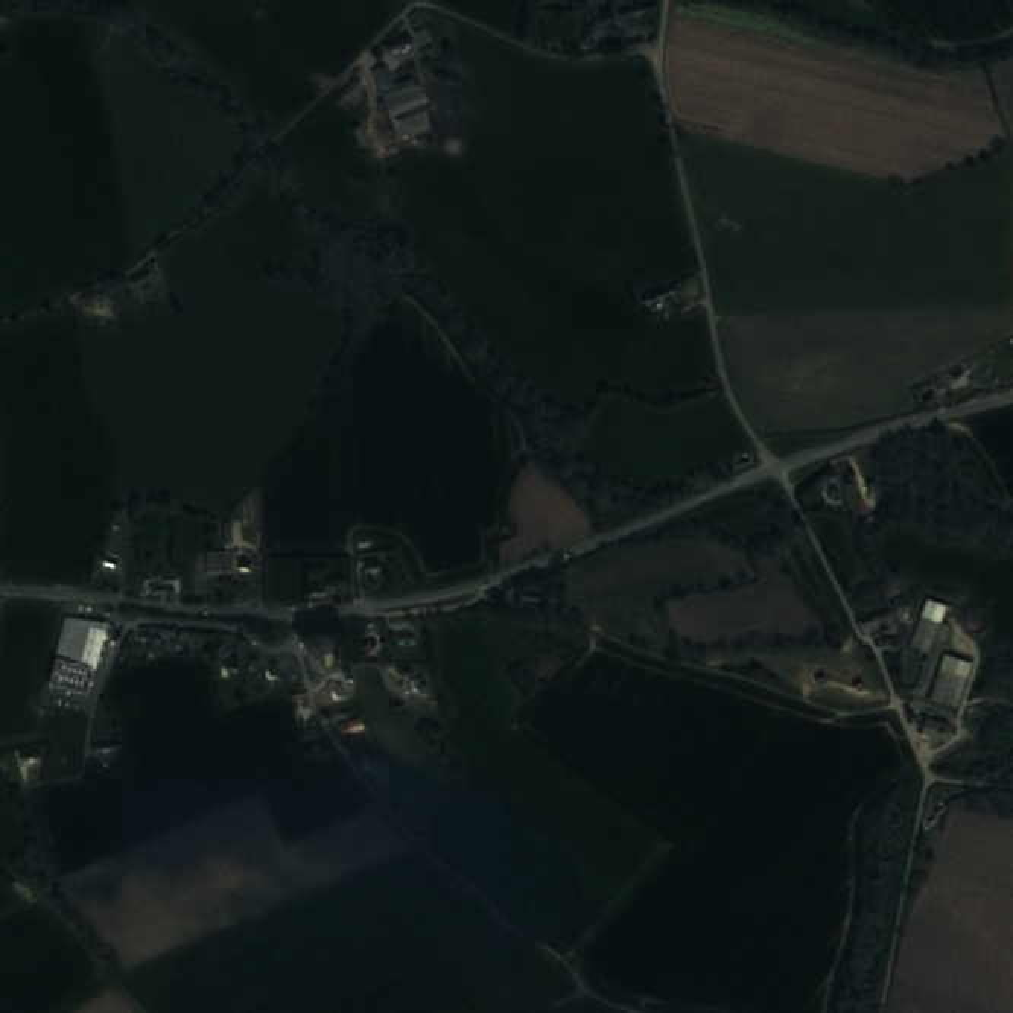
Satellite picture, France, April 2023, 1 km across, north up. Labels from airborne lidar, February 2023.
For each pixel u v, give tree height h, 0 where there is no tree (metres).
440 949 0
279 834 0
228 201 15
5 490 0
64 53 0
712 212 0
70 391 0
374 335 0
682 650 12
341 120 0
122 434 0
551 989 0
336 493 0
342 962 0
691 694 0
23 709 0
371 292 22
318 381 0
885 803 14
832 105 0
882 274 0
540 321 0
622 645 0
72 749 0
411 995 0
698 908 0
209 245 0
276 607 0
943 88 0
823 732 0
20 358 0
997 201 0
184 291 0
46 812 0
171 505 18
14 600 0
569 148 0
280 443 0
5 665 0
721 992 0
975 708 0
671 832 0
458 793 8
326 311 0
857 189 0
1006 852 0
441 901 0
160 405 0
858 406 0
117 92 0
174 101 0
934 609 0
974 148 0
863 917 20
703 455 0
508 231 0
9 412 0
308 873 0
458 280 0
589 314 0
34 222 0
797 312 0
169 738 0
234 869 0
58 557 0
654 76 16
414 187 0
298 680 0
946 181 0
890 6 0
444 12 0
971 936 0
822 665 0
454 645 0
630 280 0
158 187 0
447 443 0
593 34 7
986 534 16
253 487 0
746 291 0
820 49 0
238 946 0
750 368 0
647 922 0
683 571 0
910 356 0
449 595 0
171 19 0
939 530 19
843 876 0
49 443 0
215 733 0
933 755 0
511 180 0
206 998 0
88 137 0
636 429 0
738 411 0
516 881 0
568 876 0
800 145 0
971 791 12
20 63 0
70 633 0
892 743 0
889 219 0
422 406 0
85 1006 0
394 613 0
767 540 13
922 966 0
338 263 22
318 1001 0
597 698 0
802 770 0
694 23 0
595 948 0
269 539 0
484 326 0
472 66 0
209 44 0
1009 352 0
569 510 0
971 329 0
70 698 0
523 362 0
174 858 0
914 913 0
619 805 0
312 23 0
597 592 0
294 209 20
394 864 0
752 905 0
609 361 0
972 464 9
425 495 0
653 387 0
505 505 0
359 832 0
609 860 0
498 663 0
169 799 0
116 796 0
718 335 0
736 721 0
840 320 0
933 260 0
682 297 0
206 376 0
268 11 0
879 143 0
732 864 0
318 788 0
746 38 0
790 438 0
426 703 0
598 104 0
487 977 0
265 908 0
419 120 0
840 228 0
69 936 0
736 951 0
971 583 0
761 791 0
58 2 11
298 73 0
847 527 7
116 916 0
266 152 12
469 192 0
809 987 0
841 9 0
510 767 0
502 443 0
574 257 0
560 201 0
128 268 0
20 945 0
